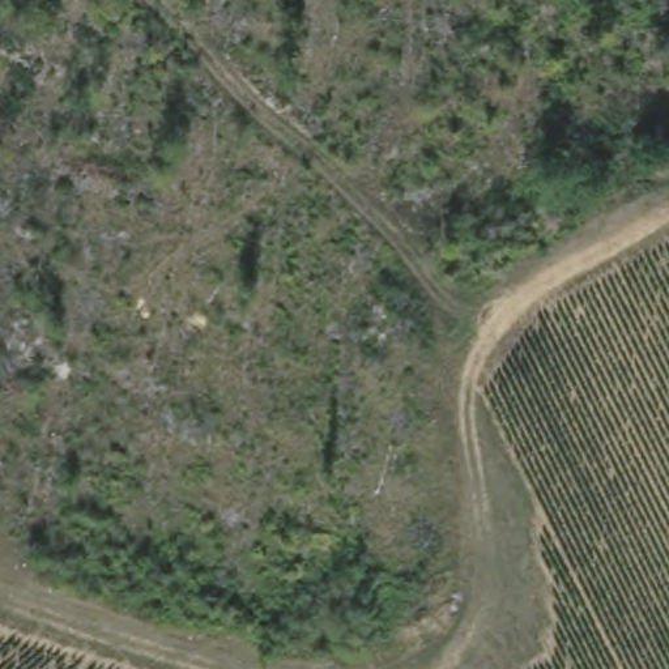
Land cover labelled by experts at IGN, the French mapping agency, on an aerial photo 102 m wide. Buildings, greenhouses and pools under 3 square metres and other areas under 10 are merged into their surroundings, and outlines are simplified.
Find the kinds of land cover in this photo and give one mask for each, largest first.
<instances>
[{"label":"coniferous trees","instance_id":"1","mask_svg":"<svg viewBox=\"0 0 669 669\"><path fill-rule=\"evenodd\" d=\"M491 0H63V8L55 16H47L39 8L16 10L13 5H0V557L29 562V554L34 551L29 546L31 525L52 520L60 512V502L68 497H91L102 507H112L123 515L131 530H136L144 520H154V528H159L162 533H170L183 523L186 502L209 507L227 525L222 530V538L230 551L253 544V538L259 536V517L267 507L290 510V515H295L298 520L311 515L316 525H324L321 536H332L335 544L340 538L355 541L358 533L371 530L366 546L368 551H376L379 562L387 567L410 570L421 557L429 562L423 585H416L413 601L400 612L402 627H410L413 622L429 614V596L436 593L447 572L460 567L457 549L465 470L457 434L460 374L478 327L486 321L491 311V301L528 282L536 272H541L549 264V259L536 246H504L494 253L481 256V261L470 259L473 248L468 240H481L489 227H502L536 206L525 196H510L512 183L507 180V175L523 170L528 141L544 139V128L536 120L541 118L538 94L544 81L549 78L546 68L510 60L504 55L502 42L468 50L470 37L452 31V24L460 16H476Z\"/></svg>","mask_w":669,"mask_h":669},{"label":"deciduous trees","instance_id":"2","mask_svg":"<svg viewBox=\"0 0 669 669\"><path fill-rule=\"evenodd\" d=\"M0 5H13L16 10L39 8L47 16H55L63 8V0H0ZM452 31L470 37L468 50L502 42L504 55L510 60L546 68L549 78L544 81L538 94L541 118L536 120L544 128V139L528 141L523 170L507 175V180L512 183L510 196H525L536 206L502 227H489L481 240H468L473 248L470 259L481 261V256L494 253L504 246H536L549 259L580 251L606 235H617L635 220L645 217L651 209L669 204V0H491L476 16H460L452 24ZM227 525L209 507L186 502L183 523L170 533H162L159 528H154V520H144L136 530H131L123 515L112 507H102L91 497H68L60 502V512L52 520L31 525L29 546L34 551L29 554V562L34 567L37 580L55 588H71L81 598L97 596L115 612H128L144 622L157 625L165 632H183L199 638L235 635V640L246 648H259L261 666H267L269 659L274 664H280L282 659H319L327 651L366 653L376 638L402 627L400 612L413 601L416 585H423L429 562L421 557L410 570L387 567L379 562L376 551H368L366 546L371 530L358 533L355 541L340 538L335 544L332 536H321L324 525H316L311 515L298 520L295 515H290V510L267 507L259 517V536L253 538V544L230 551L222 538V530Z\"/></svg>","mask_w":669,"mask_h":669},{"label":"vineyard","instance_id":"3","mask_svg":"<svg viewBox=\"0 0 669 669\"><path fill-rule=\"evenodd\" d=\"M559 287L567 298L559 301L554 311H538V329L523 332V337L512 345L507 361L486 387L491 408L502 421H507V439L515 447L525 468V476L533 483L538 502L549 517L541 533V551L546 564L554 570L551 596L559 622L554 635V656L551 661L536 669H669V225L659 227L653 235L643 238L627 251L596 264L593 269L580 272ZM81 659H71L65 664V656L57 651H44L16 638L0 640V669H78Z\"/></svg>","mask_w":669,"mask_h":669},{"label":"herbaceous vegetation","instance_id":"4","mask_svg":"<svg viewBox=\"0 0 669 669\"><path fill-rule=\"evenodd\" d=\"M567 298L559 287L546 293L538 306L528 308L502 335L497 348L489 353L478 379H465L460 374L457 434L465 470L457 549L460 567L447 572L436 593L429 596V614L413 622L410 627H402L376 638L366 653L327 651L319 659H282L280 664H274L269 659L267 666H261L259 648H246L235 640V635L199 638L183 632H165L157 625L144 622L128 612H115L97 596L81 598L71 588H55L37 580L34 567L29 562L0 557V640L16 638L44 651H57L65 656V664L71 659H81L78 669H536L551 661L554 656V635L559 622L551 596L554 570L546 564L541 551V533L549 517L538 502L533 483L525 476V468L515 447L507 439V421H502L491 408L486 387L507 361L512 345L523 337V332L538 329V311H554L559 301Z\"/></svg>","mask_w":669,"mask_h":669},{"label":"pervious surface","instance_id":"5","mask_svg":"<svg viewBox=\"0 0 669 669\"><path fill-rule=\"evenodd\" d=\"M669 225V204L651 209L645 217L635 220L617 235H606L580 251L549 259V264L541 272H536L528 282L491 301V311L486 321L478 327L460 374L465 379H478L489 353L497 348L502 335L528 308L538 306L546 293L559 287L580 272L593 269L596 264L627 251L643 238L653 235L659 227Z\"/></svg>","mask_w":669,"mask_h":669}]
</instances>
